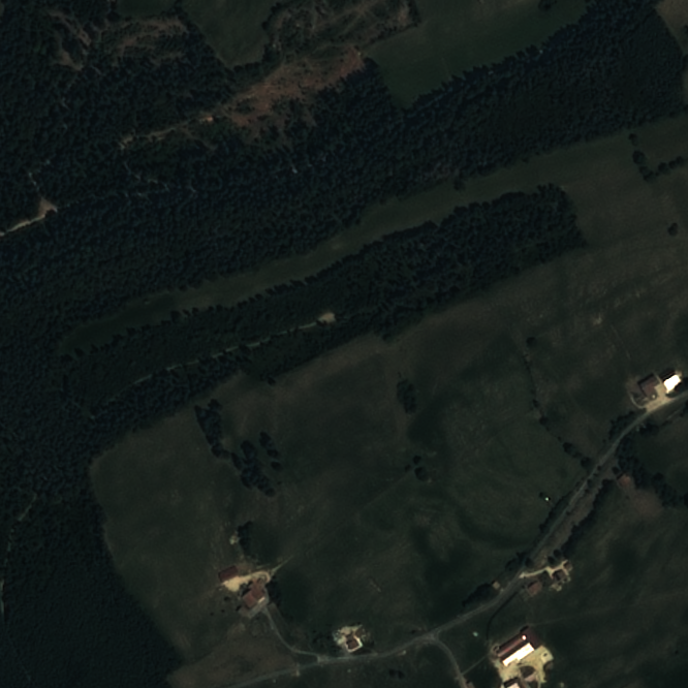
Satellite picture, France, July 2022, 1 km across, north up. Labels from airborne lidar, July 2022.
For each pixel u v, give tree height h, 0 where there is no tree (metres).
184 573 0
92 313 28
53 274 23
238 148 35
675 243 0
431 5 0
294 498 0
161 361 11
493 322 0
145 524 0
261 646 0
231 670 0
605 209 0
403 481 0
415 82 0
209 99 33
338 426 0
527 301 0
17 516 17
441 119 27
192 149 11
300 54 13
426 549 0
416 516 0
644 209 0
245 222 20
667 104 17
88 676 16
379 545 0
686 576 0
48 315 24
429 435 0
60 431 30
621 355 0
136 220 27
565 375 0
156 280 24
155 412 27
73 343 0
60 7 19
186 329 10
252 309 9
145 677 12
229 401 0
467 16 0
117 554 0
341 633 0
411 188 32
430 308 8
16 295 26
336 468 0
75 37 33
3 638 18
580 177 0
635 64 18
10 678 18
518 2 0
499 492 0
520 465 0
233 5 0
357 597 0
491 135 21
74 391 17
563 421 0
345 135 10
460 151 25
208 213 30
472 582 0
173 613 0
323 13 27
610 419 0
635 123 25
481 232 23
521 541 0
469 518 0
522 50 0
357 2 12
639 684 0
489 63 0
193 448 0
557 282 0
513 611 0
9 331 24
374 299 12
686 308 0
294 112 14
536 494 0
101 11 14
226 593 0
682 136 0
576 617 0
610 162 0
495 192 0
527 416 0
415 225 0
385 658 0
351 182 24
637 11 23
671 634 0
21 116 30
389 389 0
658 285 0
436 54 0
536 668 0
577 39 24
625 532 0
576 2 0
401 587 0
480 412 0
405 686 0
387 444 0
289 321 9
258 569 0
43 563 11
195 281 23
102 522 24
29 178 25
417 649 0
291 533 0
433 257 25
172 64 7
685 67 12
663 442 0
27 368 32
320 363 0
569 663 0
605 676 0
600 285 0
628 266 0
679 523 0
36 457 27
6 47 25
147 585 0
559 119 23
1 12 0
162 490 0
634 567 0
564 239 9
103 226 27
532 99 15
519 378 0
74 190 14
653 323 0
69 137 23
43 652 14
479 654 0
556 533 0
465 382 0
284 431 0
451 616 0
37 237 8
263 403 0
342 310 10
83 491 12
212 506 0
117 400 7
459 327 0
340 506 0
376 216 0
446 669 0
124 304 24
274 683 0
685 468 0
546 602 0
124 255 21
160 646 17
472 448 0
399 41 0
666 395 0
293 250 15
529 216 11
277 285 0
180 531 0
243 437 0
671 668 0
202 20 0
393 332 6
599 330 0
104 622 16
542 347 0
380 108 21
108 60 14
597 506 13
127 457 0
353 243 0
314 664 0
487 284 18
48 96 33
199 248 15
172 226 28
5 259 16
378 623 0
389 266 7
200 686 0
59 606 15
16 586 10
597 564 0
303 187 30
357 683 0
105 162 6
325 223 13
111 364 10
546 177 0
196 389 19
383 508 0
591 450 0
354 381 0
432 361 0
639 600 0
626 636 0
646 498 0
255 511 0
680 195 0
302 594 0
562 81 21
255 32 0
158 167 16
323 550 0
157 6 0
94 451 26
